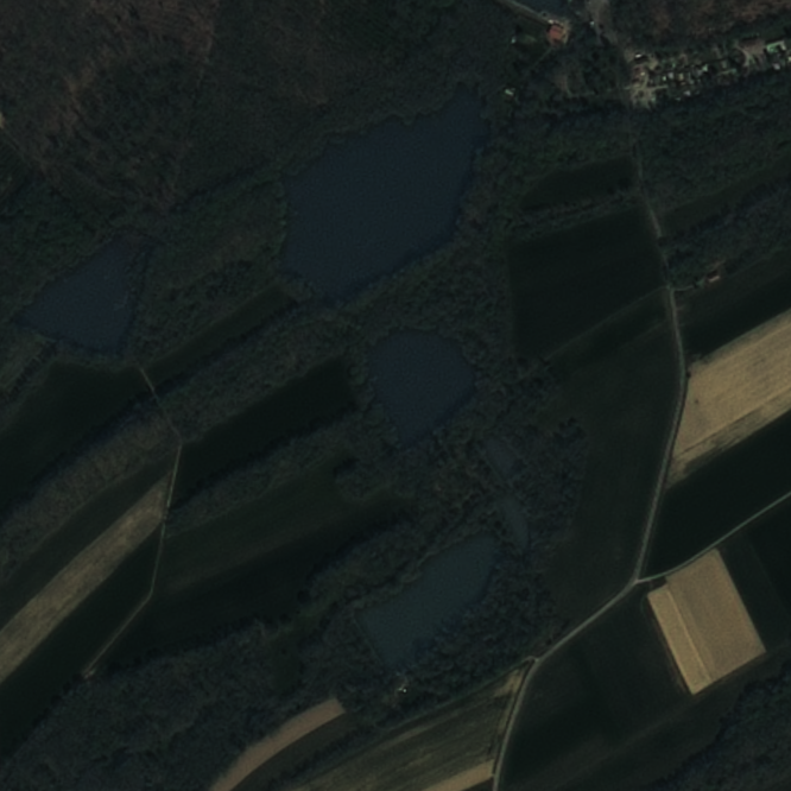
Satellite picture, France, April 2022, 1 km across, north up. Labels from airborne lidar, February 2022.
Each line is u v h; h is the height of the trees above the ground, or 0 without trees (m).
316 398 0
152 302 19
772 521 0
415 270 23
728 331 0
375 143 0
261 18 15
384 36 6
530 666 0
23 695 0
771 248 20
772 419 0
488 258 27
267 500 0
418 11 25
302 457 19
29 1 21
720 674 0
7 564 26
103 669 0
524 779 0
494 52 22
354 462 9
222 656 27
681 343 0
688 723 0
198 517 16
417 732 0
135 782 19
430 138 0
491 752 0
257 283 14
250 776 0
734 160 25
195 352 0
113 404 0
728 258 8
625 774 0
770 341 0
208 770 21
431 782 0
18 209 20
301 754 0
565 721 0
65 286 0
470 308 11
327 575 19
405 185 0
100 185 25
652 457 0
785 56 18
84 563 0
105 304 0
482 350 21
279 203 23
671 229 0
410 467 25
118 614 0
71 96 24
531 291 0
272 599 0
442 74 18
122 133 22
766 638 0
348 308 18
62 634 0
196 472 0
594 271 0
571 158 7
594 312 0
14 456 0
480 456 26
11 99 25
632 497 0
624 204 8
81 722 22
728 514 0
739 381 0
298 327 18
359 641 15
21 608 0
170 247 25
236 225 27
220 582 0
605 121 25
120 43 26
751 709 19
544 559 20
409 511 0
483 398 24
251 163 16
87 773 18
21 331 15
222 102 16
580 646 0
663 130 23
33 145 22
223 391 20
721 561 0
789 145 18
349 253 0
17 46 20
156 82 24
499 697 0
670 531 0
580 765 0
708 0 0
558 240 0
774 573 0
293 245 0
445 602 0
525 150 20
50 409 0
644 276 0
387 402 0
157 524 0
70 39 27
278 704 15
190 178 15
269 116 16
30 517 28
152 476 0
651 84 0
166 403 21
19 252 25
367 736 15
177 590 0
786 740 20
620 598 0
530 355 0
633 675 0
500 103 20
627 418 0
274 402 0
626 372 0
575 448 25
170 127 22
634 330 0
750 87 19
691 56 18
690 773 19
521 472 19
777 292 0
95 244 22
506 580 17
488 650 23
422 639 0
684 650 0
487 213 30
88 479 30
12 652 0
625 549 0
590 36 24
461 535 18
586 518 0
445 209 0
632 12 25
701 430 0
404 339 0
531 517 14
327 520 0
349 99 15
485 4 22
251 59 16
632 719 0
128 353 23
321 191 0
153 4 0
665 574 0
